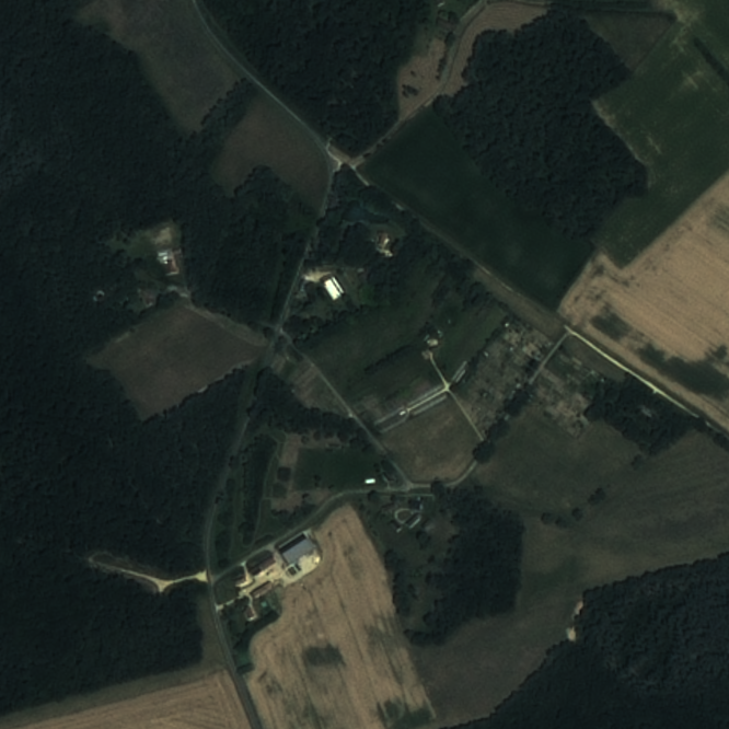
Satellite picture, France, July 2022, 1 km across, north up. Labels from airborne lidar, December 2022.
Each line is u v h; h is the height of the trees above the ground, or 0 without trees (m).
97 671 18
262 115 0
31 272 23
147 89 15
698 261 0
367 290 12
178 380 0
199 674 0
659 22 0
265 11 12
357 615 0
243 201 18
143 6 0
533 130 22
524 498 0
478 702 0
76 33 20
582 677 18
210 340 0
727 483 0
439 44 0
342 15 23
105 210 23
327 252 18
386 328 0
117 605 20
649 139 0
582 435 0
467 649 0
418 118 0
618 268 0
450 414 0
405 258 19
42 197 22
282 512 9
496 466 0
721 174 0
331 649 0
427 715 0
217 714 0
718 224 0
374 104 16
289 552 0
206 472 20
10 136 20
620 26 0
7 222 21
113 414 22
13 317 22
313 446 0
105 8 0
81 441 21
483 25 0
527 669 0
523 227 0
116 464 19
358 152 13
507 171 19
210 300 18
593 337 0
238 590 6
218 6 9
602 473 0
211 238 25
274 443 6
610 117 0
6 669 17
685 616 24
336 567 0
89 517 19
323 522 0
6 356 16
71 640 19
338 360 0
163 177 14
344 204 15
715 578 20
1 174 25
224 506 17
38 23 23
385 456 16
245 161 0
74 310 21
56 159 20
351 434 19
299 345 21
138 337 0
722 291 0
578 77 22
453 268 13
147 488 20
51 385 21
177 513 23
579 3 5
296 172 0
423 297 0
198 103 0
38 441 18
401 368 0
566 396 0
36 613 18
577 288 0
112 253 19
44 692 17
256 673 0
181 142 16
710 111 0
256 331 14
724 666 22
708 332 0
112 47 19
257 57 11
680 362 0
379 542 0
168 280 6
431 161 0
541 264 0
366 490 0
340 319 11
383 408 0
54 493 22
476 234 0
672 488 0
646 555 0
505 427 17
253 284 10
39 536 18
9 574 21
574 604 0
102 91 20
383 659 0
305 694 0
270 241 13
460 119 20
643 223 0
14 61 22
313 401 0
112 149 19
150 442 23
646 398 14
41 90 25
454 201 0
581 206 21
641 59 0
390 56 17
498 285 0
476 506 18
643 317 0
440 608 21
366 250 19
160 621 19
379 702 0
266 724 0
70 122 22
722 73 6
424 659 0
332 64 25
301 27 23
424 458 0
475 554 25
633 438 19
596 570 0
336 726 0
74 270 19
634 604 18
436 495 16
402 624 0
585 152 21
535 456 0
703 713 26
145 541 18
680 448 0
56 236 21
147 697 0
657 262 0
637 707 20
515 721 19
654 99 0
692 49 0
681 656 21
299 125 0
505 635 0
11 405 20
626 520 0
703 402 0
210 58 0
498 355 0
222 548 8
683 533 0
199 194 25
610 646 23
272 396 20
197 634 16
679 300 0
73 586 23
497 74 22
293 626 0
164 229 0
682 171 0
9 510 17
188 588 16
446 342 9
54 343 22
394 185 0
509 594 20
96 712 0
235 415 20
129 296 17
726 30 0
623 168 23
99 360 0
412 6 19
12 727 0
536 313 0
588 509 0
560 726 18
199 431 24
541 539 0
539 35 23
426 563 0
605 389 6
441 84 0
